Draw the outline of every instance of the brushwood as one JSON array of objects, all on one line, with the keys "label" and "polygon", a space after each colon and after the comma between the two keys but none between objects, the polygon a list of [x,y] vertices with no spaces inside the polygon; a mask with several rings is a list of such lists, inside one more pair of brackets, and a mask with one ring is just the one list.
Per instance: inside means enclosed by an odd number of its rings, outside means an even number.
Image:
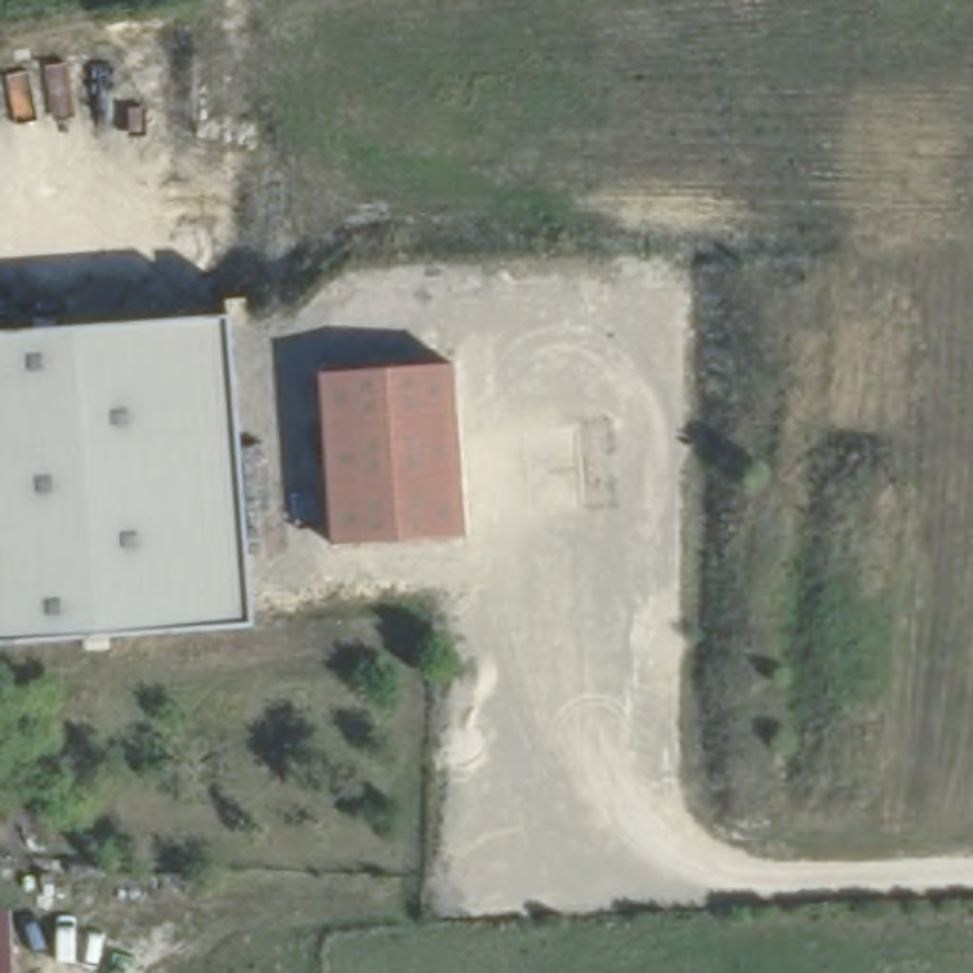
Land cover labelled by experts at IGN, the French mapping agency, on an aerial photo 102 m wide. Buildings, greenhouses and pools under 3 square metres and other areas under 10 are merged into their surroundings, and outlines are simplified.
[{"label": "brushwood", "polygon": [[711,916],[734,916],[737,927],[764,927],[775,924],[783,908],[829,905],[836,897],[851,912],[867,912],[874,924],[889,924],[897,920],[897,912],[916,912],[920,920],[924,912],[946,908],[950,901],[958,901],[965,916],[973,916],[973,889],[802,889],[768,897],[730,889],[707,893],[703,901]]}]

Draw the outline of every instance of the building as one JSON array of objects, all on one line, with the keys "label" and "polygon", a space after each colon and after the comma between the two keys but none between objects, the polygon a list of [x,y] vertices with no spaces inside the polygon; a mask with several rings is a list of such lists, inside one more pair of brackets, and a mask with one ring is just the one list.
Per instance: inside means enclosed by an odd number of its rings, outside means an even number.
[{"label": "building", "polygon": [[236,616],[236,540],[217,323],[209,315],[179,315],[129,323],[27,327],[0,334],[0,642],[8,650],[84,642],[87,650],[106,650],[114,639],[141,639],[141,627],[156,623]]},{"label": "building", "polygon": [[464,532],[456,380],[452,361],[441,357],[441,365],[319,372],[327,544],[410,544],[452,540]]}]

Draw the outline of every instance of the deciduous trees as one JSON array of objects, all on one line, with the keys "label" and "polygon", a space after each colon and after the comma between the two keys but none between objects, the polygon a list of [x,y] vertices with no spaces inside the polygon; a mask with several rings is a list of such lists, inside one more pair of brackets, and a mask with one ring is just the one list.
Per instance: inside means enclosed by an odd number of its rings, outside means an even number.
[{"label": "deciduous trees", "polygon": [[376,673],[353,677],[346,688],[365,692],[372,711],[395,707],[403,699],[399,680],[407,661],[395,658]]},{"label": "deciduous trees", "polygon": [[445,684],[448,692],[456,680],[464,680],[464,665],[452,650],[452,635],[445,631],[429,639],[429,680]]},{"label": "deciduous trees", "polygon": [[372,810],[365,817],[365,825],[376,836],[391,836],[395,844],[403,844],[410,829],[410,810],[388,802],[388,810]]}]

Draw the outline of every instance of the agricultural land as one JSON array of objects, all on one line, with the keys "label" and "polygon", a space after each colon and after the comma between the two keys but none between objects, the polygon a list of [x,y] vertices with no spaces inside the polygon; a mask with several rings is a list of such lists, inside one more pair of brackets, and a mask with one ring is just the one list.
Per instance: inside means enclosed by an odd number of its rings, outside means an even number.
[{"label": "agricultural land", "polygon": [[300,239],[331,243],[334,228],[342,224],[384,220],[391,232],[388,239],[350,243],[350,270],[464,262],[479,266],[483,274],[593,274],[597,281],[616,285],[616,258],[631,255],[665,258],[673,270],[688,274],[692,414],[684,426],[684,445],[692,448],[692,460],[680,475],[680,635],[688,646],[680,669],[684,806],[718,844],[775,863],[973,855],[973,0],[171,0],[156,11],[163,19],[160,49],[167,53],[167,122],[175,129],[198,129],[190,91],[209,87],[213,118],[251,122],[258,129],[258,144],[236,175],[232,247],[281,258]]}]

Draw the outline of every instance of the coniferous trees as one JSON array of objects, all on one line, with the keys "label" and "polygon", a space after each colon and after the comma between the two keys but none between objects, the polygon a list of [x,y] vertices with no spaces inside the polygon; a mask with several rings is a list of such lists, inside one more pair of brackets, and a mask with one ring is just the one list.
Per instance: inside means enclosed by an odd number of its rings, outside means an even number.
[{"label": "coniferous trees", "polygon": [[65,741],[65,680],[61,673],[42,669],[42,680],[8,684],[0,692],[0,813],[15,817],[19,810],[27,810],[30,817],[46,817],[46,825],[53,829],[87,829],[110,806],[110,798],[125,794],[141,779],[141,772],[125,764],[122,753],[110,753],[91,783],[76,779],[76,772],[61,772],[49,791],[30,787],[38,756],[53,753]]}]

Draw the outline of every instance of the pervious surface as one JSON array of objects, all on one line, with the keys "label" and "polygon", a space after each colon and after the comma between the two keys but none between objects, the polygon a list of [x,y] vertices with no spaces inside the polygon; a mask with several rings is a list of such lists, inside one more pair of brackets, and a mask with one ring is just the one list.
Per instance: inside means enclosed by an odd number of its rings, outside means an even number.
[{"label": "pervious surface", "polygon": [[160,924],[148,939],[137,943],[118,935],[87,939],[76,931],[57,931],[57,954],[46,962],[42,973],[148,973],[152,962],[167,958],[171,924]]},{"label": "pervious surface", "polygon": [[[296,612],[304,604],[319,604],[327,593],[346,601],[380,601],[388,593],[429,593],[433,608],[445,616],[445,631],[452,635],[452,650],[464,665],[464,680],[456,680],[448,692],[448,734],[433,760],[437,768],[448,768],[448,798],[437,855],[448,863],[448,878],[464,893],[464,912],[525,912],[528,905],[559,912],[593,912],[616,901],[703,901],[707,893],[730,889],[768,897],[802,889],[973,889],[973,855],[775,863],[718,844],[684,806],[680,669],[688,646],[680,635],[680,475],[692,460],[692,448],[684,445],[684,426],[692,414],[688,274],[673,270],[665,258],[631,255],[616,258],[616,285],[597,281],[593,274],[483,274],[479,266],[464,262],[350,270],[350,243],[388,239],[391,232],[384,220],[342,224],[334,228],[331,243],[300,239],[281,258],[232,247],[236,175],[258,144],[258,129],[251,122],[213,118],[209,87],[190,91],[198,129],[175,129],[167,122],[167,53],[160,49],[163,19],[156,11],[114,23],[91,19],[87,11],[57,11],[46,23],[8,23],[0,30],[0,334],[27,327],[129,323],[179,315],[209,315],[217,323],[236,540],[236,616],[156,623],[141,627],[141,639],[255,631],[258,612]],[[452,540],[410,544],[327,544],[319,372],[441,365],[441,357],[452,361],[456,380],[464,532]]]}]

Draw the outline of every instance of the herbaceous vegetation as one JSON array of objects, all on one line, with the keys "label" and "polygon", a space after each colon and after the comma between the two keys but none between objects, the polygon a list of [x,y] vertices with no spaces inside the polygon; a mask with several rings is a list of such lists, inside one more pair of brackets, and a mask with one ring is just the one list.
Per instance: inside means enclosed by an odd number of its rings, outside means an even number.
[{"label": "herbaceous vegetation", "polygon": [[91,19],[114,23],[156,11],[171,0],[0,0],[0,30],[8,23],[46,23],[57,11],[87,11]]},{"label": "herbaceous vegetation", "polygon": [[[946,908],[924,912],[920,920],[916,912],[897,912],[897,920],[889,924],[874,924],[867,912],[851,912],[836,897],[829,905],[783,908],[775,924],[764,927],[737,927],[734,916],[711,916],[703,901],[616,901],[593,912],[559,912],[528,905],[525,912],[464,912],[464,893],[448,878],[448,863],[437,855],[448,798],[448,768],[437,768],[433,760],[448,734],[448,692],[445,684],[429,680],[429,639],[445,631],[445,616],[433,608],[429,593],[388,593],[380,601],[346,601],[327,593],[319,604],[304,604],[296,612],[258,612],[255,631],[141,639],[114,639],[106,650],[87,650],[84,642],[8,650],[0,642],[0,692],[8,684],[42,680],[42,669],[61,673],[65,680],[65,741],[53,753],[38,756],[30,787],[49,791],[61,772],[76,772],[76,779],[91,783],[110,753],[122,753],[125,764],[141,772],[141,779],[125,794],[110,798],[110,806],[87,829],[53,829],[46,825],[46,817],[30,817],[27,810],[19,810],[15,817],[0,813],[0,973],[42,973],[46,962],[57,954],[57,931],[76,931],[87,939],[118,935],[137,943],[148,939],[160,924],[171,924],[167,958],[152,962],[148,973],[973,973],[973,916],[965,916],[958,901],[950,901]],[[353,677],[376,673],[395,658],[407,661],[399,680],[403,699],[395,707],[372,711],[365,692],[346,688]],[[365,825],[365,817],[372,810],[388,810],[388,802],[410,810],[410,829],[403,844],[395,844],[391,836],[376,836]]]}]

